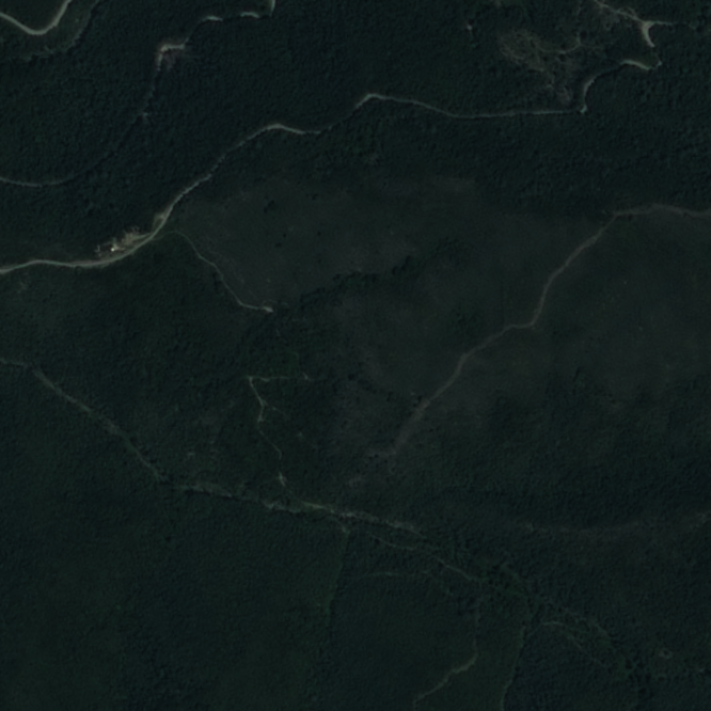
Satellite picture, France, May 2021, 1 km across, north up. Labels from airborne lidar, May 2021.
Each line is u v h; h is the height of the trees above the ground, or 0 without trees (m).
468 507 6
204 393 9
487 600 10
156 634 6
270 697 7
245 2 14
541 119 7
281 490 6
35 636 5
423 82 9
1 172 15
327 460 7
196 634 8
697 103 11
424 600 10
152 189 14
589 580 13
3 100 13
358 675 6
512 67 22
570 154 14
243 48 9
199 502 14
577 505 17
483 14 15
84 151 16
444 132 12
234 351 7
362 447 7
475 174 10
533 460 13
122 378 13
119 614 11
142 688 8
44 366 19
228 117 13
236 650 9
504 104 13
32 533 6
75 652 11
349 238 0
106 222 11
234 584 6
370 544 7
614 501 13
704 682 15
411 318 0
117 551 8
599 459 10
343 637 7
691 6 11
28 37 12
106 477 10
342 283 10
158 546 20
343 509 11
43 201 12
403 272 17
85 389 14
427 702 7
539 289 0
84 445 10
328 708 6
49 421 8
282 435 6
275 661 6
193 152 16
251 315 7
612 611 13
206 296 6
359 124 11
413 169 6
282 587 6
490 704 7
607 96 9
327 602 8
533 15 18
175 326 8
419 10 22
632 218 12
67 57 18
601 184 13
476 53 22
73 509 7
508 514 6
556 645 8
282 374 7
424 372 0
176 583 9
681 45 10
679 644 14
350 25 11
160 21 13
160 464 16
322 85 11
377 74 13
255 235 0
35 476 7
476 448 10
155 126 14
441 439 7
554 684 12
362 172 11
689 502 10
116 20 8
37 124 11
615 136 13
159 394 11
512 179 9
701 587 11
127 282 7
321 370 8
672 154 18
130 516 13
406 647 7
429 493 11
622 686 11
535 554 14
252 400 6
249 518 12
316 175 9
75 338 10
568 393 8
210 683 10
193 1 14
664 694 12
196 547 10
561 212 6
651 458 16
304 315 8
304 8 14
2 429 11
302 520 13
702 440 8
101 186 17
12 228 9
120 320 8
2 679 8
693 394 11
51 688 8
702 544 7
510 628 8
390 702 7
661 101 10
